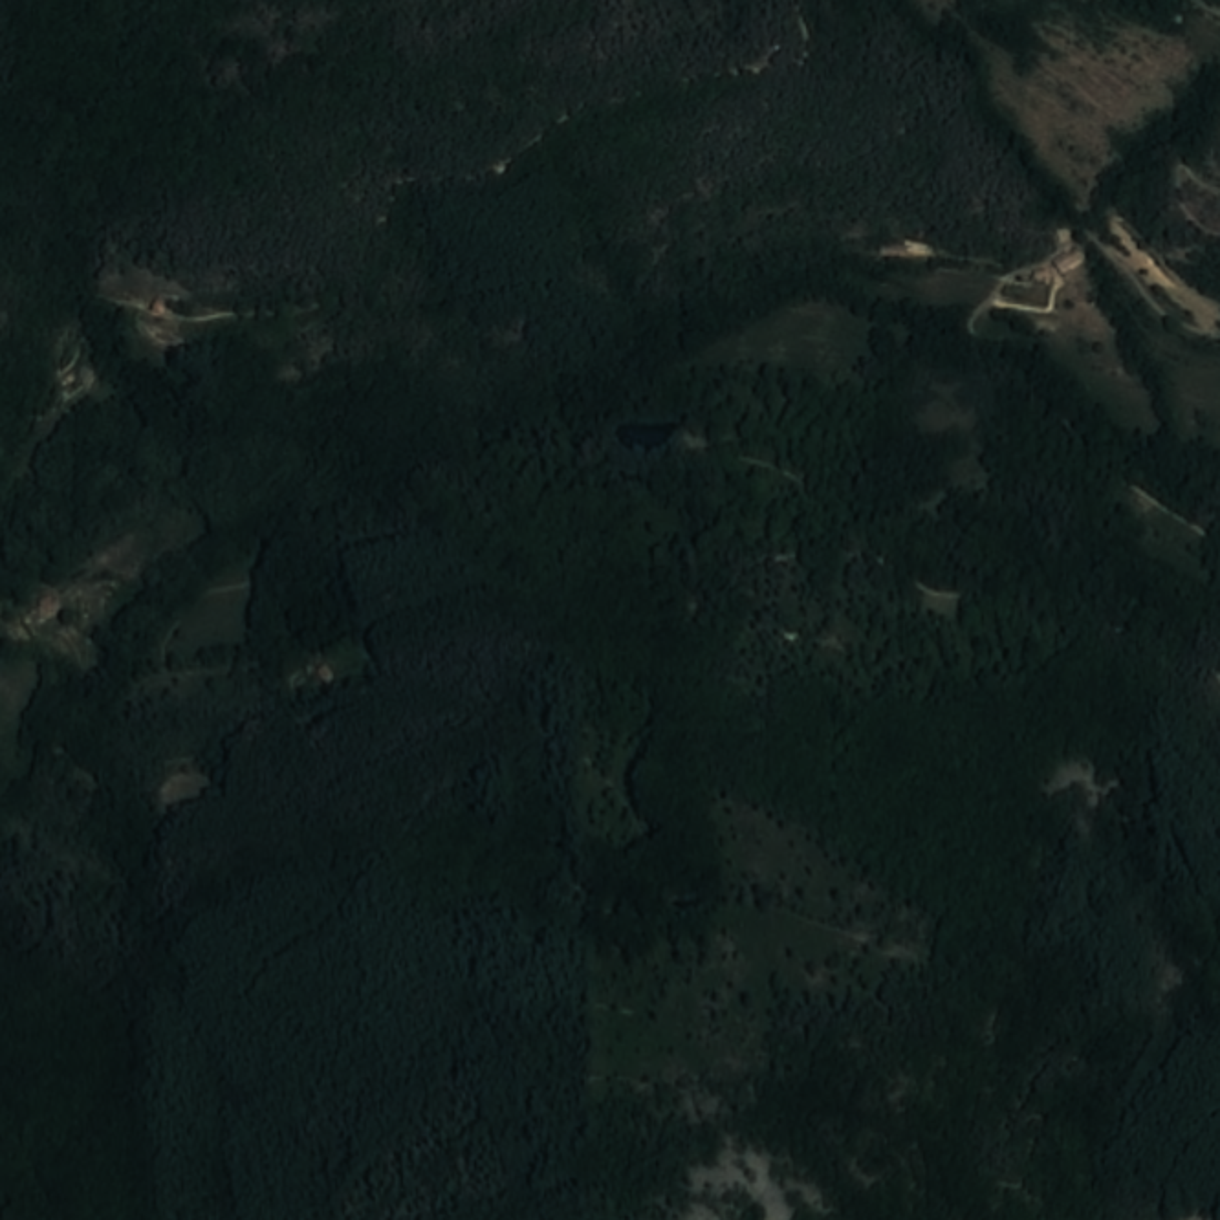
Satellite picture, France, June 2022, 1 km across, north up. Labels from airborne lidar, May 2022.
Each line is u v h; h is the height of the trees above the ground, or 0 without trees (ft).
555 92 49
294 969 76
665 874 58
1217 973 63
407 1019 91
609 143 47
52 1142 85
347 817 59
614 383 74
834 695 42
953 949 44
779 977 35
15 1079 83
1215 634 62
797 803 37
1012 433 25
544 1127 62
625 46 47
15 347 32
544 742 62
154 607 77
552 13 52
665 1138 20
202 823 93
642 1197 20
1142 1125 103
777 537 47
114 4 70
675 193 42
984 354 55
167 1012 94
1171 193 30
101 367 52
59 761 31
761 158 36
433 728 78
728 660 50
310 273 38
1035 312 0
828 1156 35
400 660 79
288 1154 79
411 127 71
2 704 0
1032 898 43
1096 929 81
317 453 38
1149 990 66
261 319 36
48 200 71
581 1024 53
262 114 49
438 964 94
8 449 45
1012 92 0
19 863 49
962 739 52
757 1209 33
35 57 56
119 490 102
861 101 42
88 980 49
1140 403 0
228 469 82
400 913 85
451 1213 62
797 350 0
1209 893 95
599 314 70
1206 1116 98
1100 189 22
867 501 51
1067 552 34
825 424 39
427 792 73
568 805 98
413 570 75
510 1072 74
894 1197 40
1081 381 32
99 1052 74
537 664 68
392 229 52
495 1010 76
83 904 42
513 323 56
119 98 64
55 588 26
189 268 45
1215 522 56
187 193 58
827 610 28
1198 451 66
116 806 52
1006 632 39
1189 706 56
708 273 55
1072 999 62
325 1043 86
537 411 70
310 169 32
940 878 42
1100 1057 34
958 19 38
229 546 94
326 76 44
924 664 49
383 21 46
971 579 24
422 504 66
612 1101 21
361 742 76
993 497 47
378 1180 65
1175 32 25
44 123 52
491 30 48
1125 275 29
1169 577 50
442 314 64
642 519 0
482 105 45
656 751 87
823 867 0
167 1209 83
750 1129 18
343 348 33
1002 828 50
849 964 20
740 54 45
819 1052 26
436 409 64
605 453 61
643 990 27
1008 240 29
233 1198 79
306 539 92
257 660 45
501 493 61
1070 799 42
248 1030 94
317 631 58
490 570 75
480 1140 48
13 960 75
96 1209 74
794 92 33
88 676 30
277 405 47
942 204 26
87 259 46
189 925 79
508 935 128
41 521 97
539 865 70
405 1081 79
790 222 42
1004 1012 35
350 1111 53
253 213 41
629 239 42
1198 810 93
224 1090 85
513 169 49
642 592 69
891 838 38
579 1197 90
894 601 38
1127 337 52
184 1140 77
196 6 42
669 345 81
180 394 74
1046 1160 46
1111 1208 60
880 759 41
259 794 79
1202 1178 96
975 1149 44
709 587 29
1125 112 0
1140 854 71
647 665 63
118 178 64
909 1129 25
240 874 86
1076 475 52
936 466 46
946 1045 31
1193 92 24
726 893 21
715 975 0
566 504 55
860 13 45
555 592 68
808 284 54
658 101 49
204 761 24
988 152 66
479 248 75
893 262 47
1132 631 57
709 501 47
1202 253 20
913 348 60
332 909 61
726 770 51
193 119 63
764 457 0
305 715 83
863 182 38
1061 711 54
